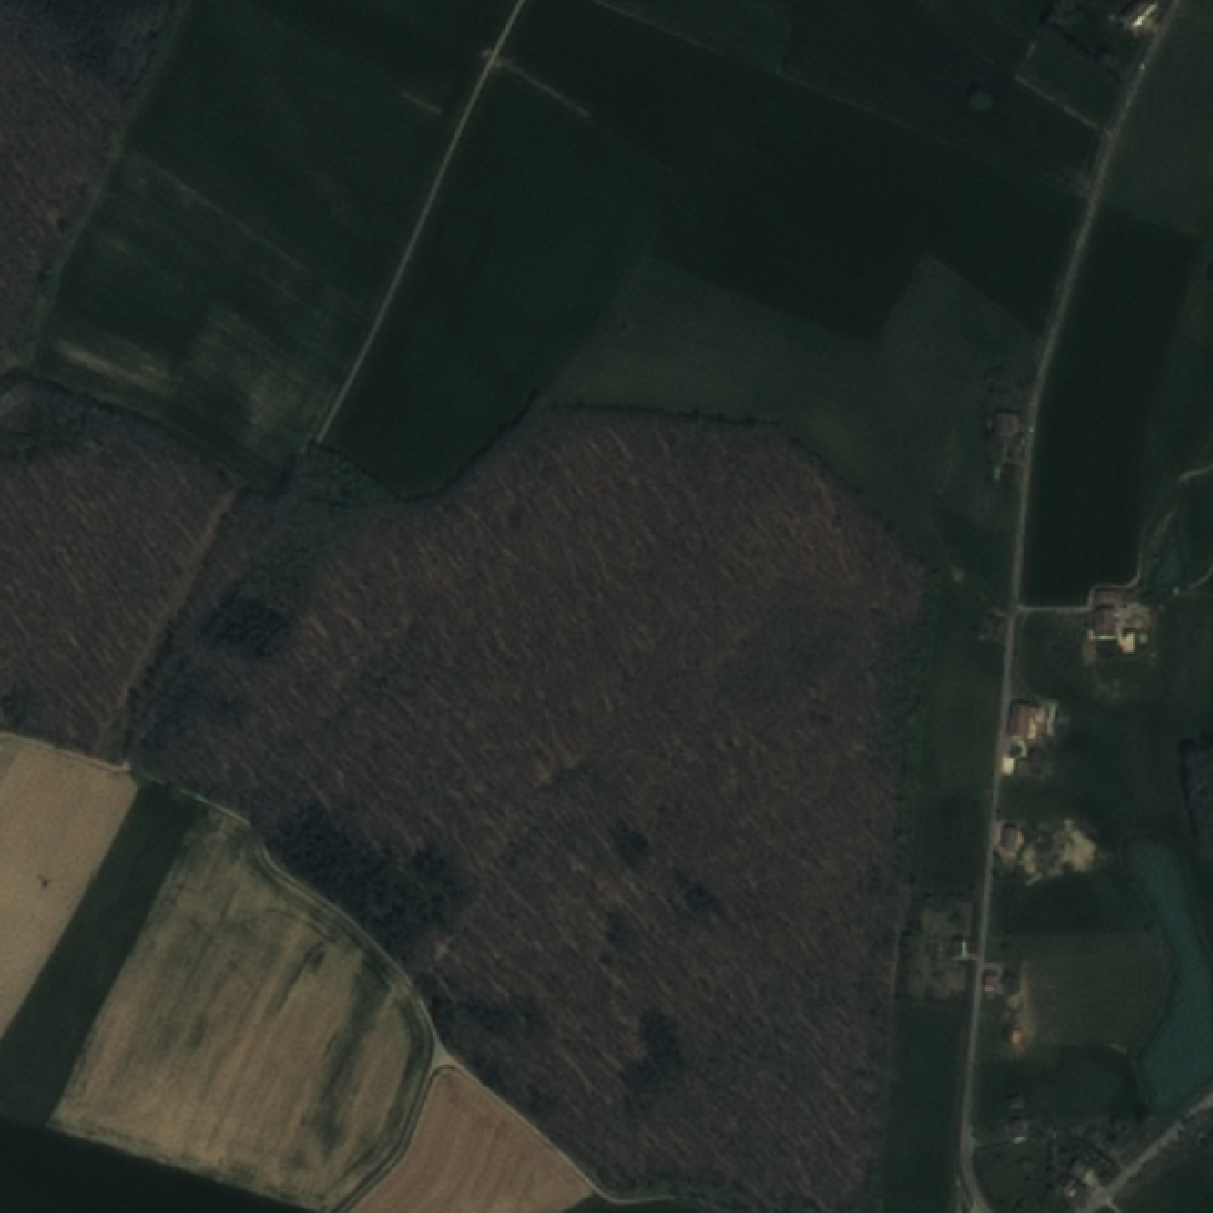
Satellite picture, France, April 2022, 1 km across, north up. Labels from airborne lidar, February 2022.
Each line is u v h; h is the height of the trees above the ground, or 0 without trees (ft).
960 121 0
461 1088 0
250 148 0
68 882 0
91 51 87
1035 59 0
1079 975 0
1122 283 0
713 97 0
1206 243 0
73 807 0
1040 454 0
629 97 0
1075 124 0
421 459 0
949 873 0
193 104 0
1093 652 0
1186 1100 0
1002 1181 0
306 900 0
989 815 0
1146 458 0
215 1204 0
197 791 62
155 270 0
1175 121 0
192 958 0
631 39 0
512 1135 0
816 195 0
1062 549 0
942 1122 0
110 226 0
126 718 0
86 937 0
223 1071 0
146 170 0
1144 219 0
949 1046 0
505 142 0
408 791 85
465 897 79
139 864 0
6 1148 0
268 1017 0
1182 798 0
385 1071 0
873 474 0
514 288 0
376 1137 0
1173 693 0
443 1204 0
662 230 0
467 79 0
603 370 0
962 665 0
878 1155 85
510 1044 79
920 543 0
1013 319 0
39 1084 0
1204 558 0
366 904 80
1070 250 0
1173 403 0
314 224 0
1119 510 0
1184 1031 0
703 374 0
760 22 0
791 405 0
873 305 0
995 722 0
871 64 0
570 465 71
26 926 0
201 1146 0
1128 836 0
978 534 0
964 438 0
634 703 54
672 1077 95
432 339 0
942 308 0
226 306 0
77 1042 0
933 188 0
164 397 0
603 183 0
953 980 0
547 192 0
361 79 0
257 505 61
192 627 75
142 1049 0
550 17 0
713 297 0
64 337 0
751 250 0
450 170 0
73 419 90
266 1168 0
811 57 0
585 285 0
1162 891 0
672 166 0
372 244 0
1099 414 0
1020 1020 0
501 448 45
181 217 0
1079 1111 0
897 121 0
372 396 0
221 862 0
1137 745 0
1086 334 0
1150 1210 0
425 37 0
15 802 0
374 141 0
